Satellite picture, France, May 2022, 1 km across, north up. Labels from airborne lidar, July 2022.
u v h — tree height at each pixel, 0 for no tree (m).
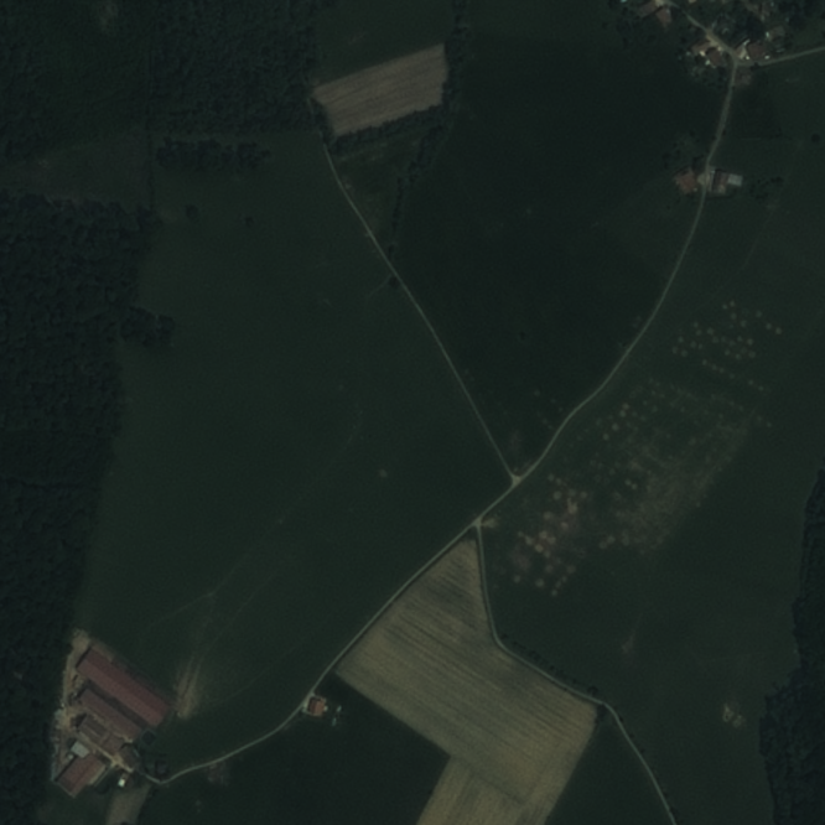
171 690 0
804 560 6
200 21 19
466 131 0
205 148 19
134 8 8
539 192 0
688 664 0
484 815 0
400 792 0
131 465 0
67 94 12
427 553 0
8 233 21
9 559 27
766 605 0
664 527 0
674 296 0
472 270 0
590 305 0
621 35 10
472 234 0
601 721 14
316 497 0
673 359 0
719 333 0
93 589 0
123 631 0
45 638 26
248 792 0
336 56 0
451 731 0
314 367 0
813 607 15
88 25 8
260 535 0
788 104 0
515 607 0
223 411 0
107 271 26
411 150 0
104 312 30
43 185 0
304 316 0
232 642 0
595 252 0
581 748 0
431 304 0
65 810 0
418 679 0
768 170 0
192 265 0
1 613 30
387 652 0
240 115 18
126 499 0
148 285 0
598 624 0
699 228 0
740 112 0
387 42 0
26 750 28
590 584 0
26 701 31
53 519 31
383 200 0
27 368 30
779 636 0
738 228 0
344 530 0
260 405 0
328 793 0
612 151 0
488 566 0
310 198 0
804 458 0
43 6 12
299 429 0
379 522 0
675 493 0
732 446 0
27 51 12
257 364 0
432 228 0
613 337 0
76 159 0
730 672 0
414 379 0
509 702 0
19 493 25
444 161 0
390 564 0
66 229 28
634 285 0
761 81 0
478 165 0
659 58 0
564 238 0
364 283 0
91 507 22
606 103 0
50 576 26
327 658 0
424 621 0
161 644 0
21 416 27
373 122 0
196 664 0
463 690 0
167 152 12
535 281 0
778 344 0
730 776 0
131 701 0
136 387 0
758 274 0
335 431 0
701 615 0
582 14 0
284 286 0
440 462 0
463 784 0
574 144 0
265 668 0
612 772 0
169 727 0
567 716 0
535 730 0
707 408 0
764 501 0
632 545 0
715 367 0
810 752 26
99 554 0
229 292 0
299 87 21
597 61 0
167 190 0
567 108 0
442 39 0
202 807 0
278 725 0
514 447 0
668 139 0
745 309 0
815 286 0
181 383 0
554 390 0
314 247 0
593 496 0
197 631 0
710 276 0
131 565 0
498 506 0
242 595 0
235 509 0
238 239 0
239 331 0
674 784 0
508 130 0
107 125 7
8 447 9
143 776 14
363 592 0
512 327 0
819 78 0
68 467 20
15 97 29
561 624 0
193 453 0
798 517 0
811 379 0
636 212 0
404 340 0
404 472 0
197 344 0
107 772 0
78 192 0
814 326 0
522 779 0
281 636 0
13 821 29
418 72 0
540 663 6
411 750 0
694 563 0
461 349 0
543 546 0
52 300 28
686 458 0
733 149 0
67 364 31
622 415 0
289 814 0
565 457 0
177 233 0
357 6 0
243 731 0
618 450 0
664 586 0
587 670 0
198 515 0
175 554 0
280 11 24
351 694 0
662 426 0
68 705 0
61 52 11
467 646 0
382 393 0
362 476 0
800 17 20
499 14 0
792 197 0
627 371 0
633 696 0
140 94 9
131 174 0
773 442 0
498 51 0
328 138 17
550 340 0
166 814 0
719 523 0
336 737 0
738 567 0
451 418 0
